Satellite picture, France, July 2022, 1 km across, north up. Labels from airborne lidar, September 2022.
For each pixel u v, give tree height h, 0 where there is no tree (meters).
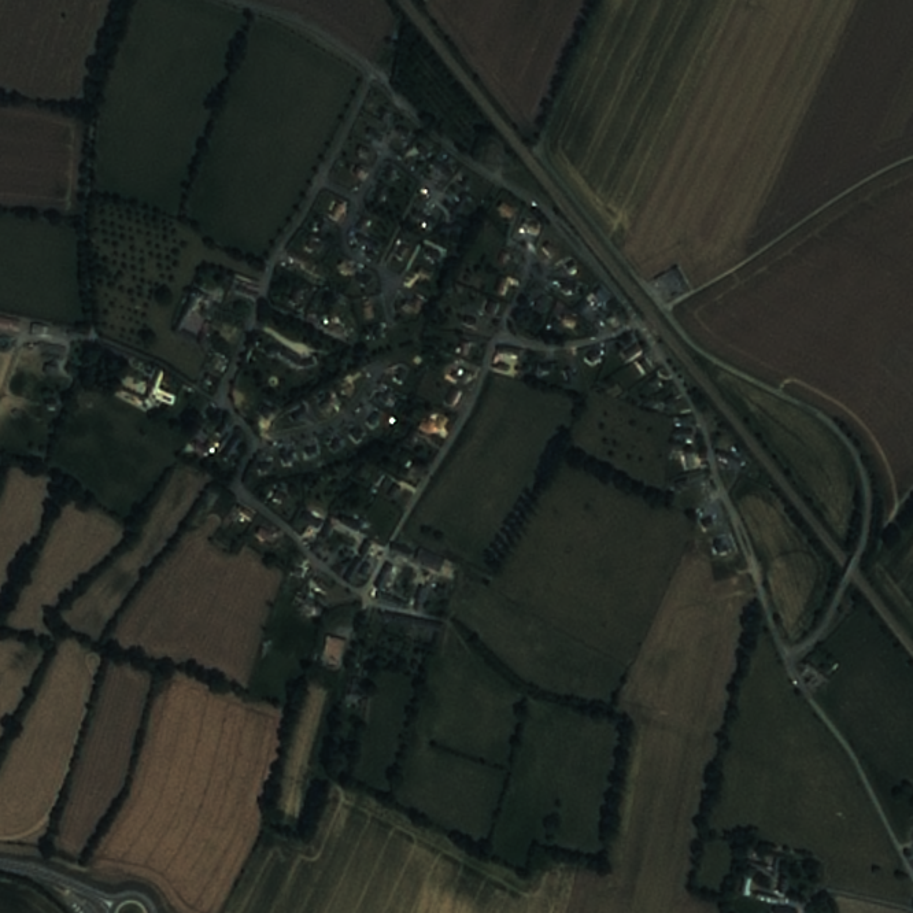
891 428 0
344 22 0
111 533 0
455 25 0
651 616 0
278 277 7
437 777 0
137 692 0
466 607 0
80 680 0
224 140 0
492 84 0
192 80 0
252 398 0
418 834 0
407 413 6
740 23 0
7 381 0
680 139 0
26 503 0
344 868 0
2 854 0
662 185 0
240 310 10
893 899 0
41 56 0
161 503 0
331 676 0
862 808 0
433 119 15
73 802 0
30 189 0
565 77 14
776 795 0
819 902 10
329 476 11
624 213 0
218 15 0
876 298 0
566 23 0
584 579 0
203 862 0
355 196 0
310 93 0
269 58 0
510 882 0
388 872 0
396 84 9
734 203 0
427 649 8
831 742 0
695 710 0
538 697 8
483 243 0
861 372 0
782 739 0
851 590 7
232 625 0
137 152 0
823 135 0
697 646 0
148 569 8
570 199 0
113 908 0
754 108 0
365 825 0
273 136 0
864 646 0
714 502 0
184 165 0
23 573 22
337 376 7
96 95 19
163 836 0
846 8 0
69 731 0
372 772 0
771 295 0
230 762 0
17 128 0
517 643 0
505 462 0
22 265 0
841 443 0
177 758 0
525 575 0
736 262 0
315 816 21
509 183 0
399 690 0
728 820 0
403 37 10
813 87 0
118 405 0
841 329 0
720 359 0
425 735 0
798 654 0
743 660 20
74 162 0
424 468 16
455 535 0
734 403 0
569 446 17
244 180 0
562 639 0
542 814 0
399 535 0
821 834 0
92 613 0
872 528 8
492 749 0
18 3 0
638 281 0
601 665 0
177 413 0
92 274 9
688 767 0
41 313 0
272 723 0
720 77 0
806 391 0
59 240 0
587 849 0
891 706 0
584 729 0
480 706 0
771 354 0
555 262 0
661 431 0
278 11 0
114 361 25
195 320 0
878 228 0
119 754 0
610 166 0
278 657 0
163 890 0
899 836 0
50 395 6
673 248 0
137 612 0
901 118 0
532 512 26
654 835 0
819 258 0
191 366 0
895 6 0
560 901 0
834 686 0
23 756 0
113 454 0
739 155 0
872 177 0
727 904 11
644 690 0
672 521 0
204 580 0
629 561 0
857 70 0
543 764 0
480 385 0
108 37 20
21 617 0
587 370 0
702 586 0
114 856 0
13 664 0
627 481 19
